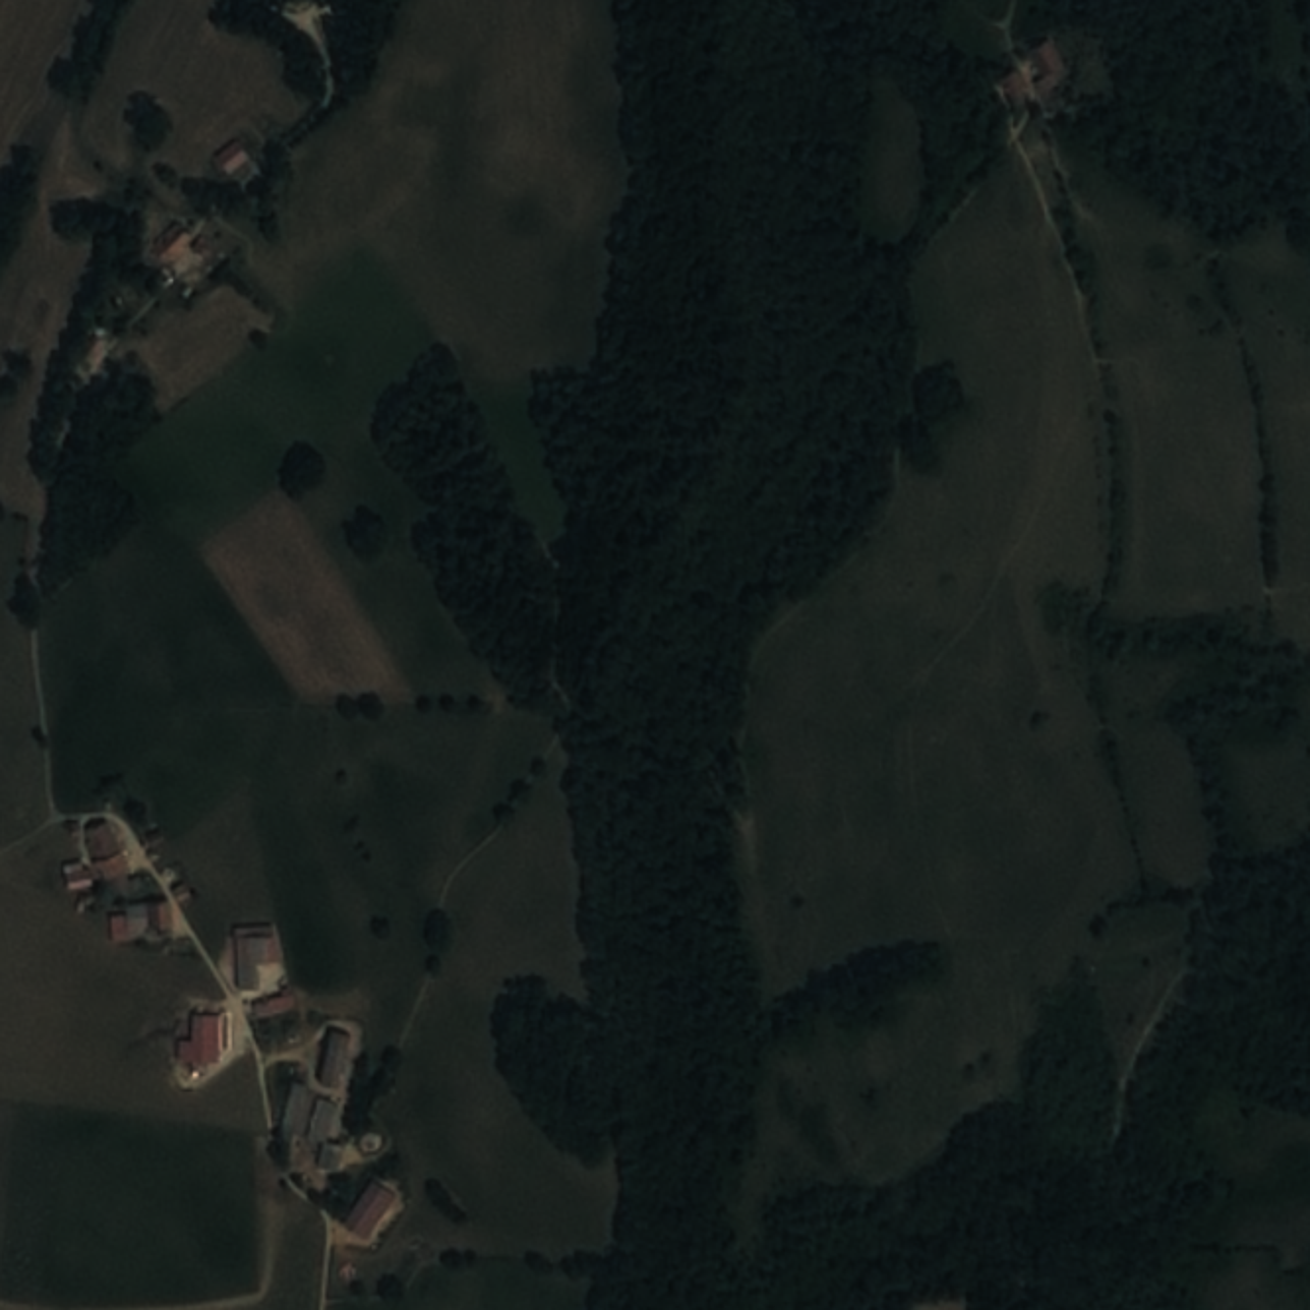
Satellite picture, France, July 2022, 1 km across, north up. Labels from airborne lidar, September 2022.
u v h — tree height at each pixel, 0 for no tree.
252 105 0
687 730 26
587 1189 0
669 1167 32
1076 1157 15
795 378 23
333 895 0
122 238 21
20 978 0
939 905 0
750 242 27
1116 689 0
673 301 16
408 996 0
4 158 0
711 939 28
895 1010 0
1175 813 0
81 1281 0
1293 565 0
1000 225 0
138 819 17
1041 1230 19
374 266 0
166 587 0
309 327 0
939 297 0
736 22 21
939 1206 17
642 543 18
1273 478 10
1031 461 0
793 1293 16
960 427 0
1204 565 0
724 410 21
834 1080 0
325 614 0
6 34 0
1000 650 0
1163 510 0
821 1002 21
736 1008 22
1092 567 0
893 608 0
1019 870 0
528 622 18
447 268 0
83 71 14
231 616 0
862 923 0
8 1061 0
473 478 23
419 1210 0
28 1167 0
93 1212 0
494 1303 0
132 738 0
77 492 23
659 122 15
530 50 0
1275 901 15
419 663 0
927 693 0
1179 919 0
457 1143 0
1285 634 0
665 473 22
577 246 0
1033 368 0
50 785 0
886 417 22
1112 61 7
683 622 28
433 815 0
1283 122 28
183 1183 0
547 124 0
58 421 19
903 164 0
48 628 0
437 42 0
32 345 0
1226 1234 0
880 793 0
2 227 23
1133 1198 18
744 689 21
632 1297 19
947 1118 0
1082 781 0
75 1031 0
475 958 0
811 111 26
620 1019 22
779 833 0
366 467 0
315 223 0
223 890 0
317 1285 0
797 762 0
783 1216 11
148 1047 0
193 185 18
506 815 12
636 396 14
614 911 23
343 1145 0
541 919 0
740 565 28
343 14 25
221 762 0
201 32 0
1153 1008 0
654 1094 28
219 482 0
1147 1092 8
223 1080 0
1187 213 11
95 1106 0
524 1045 21
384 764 0
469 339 0
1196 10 30
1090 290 10
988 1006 0
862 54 25
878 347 7
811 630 0
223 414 0
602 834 22
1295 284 0
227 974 0
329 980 0
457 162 0
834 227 32
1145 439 0
